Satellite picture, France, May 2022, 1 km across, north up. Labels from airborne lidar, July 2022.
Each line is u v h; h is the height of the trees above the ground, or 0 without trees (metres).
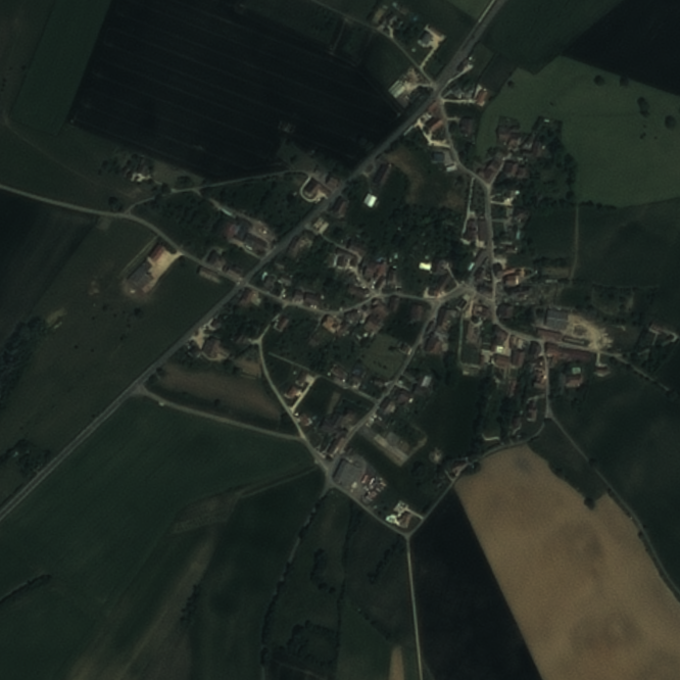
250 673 0
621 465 0
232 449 0
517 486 0
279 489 0
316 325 0
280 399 0
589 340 0
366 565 0
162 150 0
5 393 17
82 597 0
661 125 0
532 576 0
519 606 0
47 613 0
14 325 0
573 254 0
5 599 7
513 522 0
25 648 0
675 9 0
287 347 7
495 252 6
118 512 0
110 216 0
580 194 0
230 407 0
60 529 0
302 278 10
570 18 0
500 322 7
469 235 0
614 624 0
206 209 0
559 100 0
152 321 0
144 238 0
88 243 0
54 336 0
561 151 21
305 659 6
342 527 0
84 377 0
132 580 0
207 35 0
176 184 0
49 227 0
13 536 0
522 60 0
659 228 0
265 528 0
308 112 0
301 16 0
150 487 0
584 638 0
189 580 0
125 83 0
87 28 0
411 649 0
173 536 0
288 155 0
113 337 0
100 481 0
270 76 0
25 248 0
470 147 14
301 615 0
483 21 0
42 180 0
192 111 0
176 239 0
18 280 0
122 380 0
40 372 0
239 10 0
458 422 0
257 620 0
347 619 0
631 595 0
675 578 0
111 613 0
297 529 0
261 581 0
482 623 0
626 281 0
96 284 0
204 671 0
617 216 0
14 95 0
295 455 0
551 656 0
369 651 0
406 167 0
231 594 0
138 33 0
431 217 8
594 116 0
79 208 0
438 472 8
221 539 0
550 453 0
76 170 0
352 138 0
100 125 0
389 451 0
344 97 0
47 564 0
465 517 0
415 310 0
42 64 0
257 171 0
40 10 0
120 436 0
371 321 0
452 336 8
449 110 0
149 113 0
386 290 12
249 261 0
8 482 0
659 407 0
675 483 0
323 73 0
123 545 0
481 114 0
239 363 0
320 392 0
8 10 0
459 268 7
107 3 0
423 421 0
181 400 0
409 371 7
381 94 0
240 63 0
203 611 0
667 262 0
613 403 0
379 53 0
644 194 0
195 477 0
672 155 0
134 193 0
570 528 0
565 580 0
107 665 0
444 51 0
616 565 0
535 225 0
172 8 0
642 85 0
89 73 0
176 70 0
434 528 0
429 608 0
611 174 0
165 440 0
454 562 0
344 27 0
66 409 0
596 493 0
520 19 0
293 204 15
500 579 0
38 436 0
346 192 6
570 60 0
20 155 0
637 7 0
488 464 0
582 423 0
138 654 0
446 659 0
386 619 0
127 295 0
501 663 0
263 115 0
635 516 0
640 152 0
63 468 0
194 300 0
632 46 0
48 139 0
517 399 7
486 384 15
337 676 0
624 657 0
